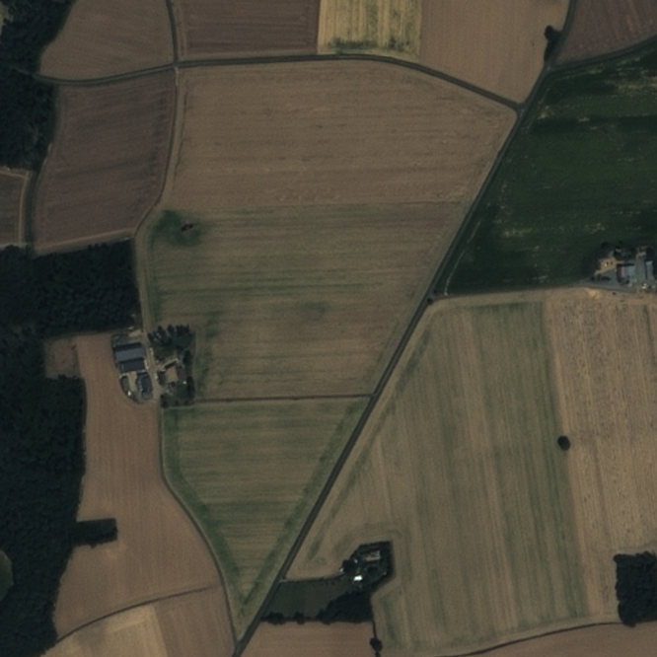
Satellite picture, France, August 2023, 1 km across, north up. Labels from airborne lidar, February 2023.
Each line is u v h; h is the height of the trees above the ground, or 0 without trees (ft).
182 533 0
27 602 75
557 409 0
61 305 45
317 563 0
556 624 0
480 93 0
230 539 0
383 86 0
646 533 0
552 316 0
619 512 0
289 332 0
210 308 0
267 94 0
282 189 0
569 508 0
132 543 0
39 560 66
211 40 0
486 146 0
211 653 0
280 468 0
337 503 0
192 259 0
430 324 0
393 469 0
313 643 0
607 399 0
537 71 0
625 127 0
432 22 0
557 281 0
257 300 0
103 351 0
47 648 49
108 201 0
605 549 0
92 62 0
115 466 0
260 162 0
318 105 0
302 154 0
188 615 0
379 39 0
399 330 0
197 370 0
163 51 0
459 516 0
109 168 0
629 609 53
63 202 0
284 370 0
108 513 0
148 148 0
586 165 0
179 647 0
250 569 0
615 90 0
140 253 0
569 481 0
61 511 46
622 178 0
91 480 0
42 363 21
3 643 67
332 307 0
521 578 0
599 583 0
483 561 0
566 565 0
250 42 0
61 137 0
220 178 0
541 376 0
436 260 0
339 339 0
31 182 0
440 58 0
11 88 58
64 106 0
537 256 0
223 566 0
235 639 0
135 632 0
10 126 57
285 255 0
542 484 0
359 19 0
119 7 0
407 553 0
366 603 34
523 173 0
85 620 0
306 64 0
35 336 69
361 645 0
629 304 0
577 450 0
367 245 0
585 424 0
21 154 64
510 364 0
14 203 0
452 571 0
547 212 0
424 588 0
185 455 0
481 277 0
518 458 0
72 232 0
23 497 71
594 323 0
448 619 0
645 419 0
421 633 0
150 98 0
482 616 0
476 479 0
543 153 0
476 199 0
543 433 0
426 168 0
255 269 0
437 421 0
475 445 0
